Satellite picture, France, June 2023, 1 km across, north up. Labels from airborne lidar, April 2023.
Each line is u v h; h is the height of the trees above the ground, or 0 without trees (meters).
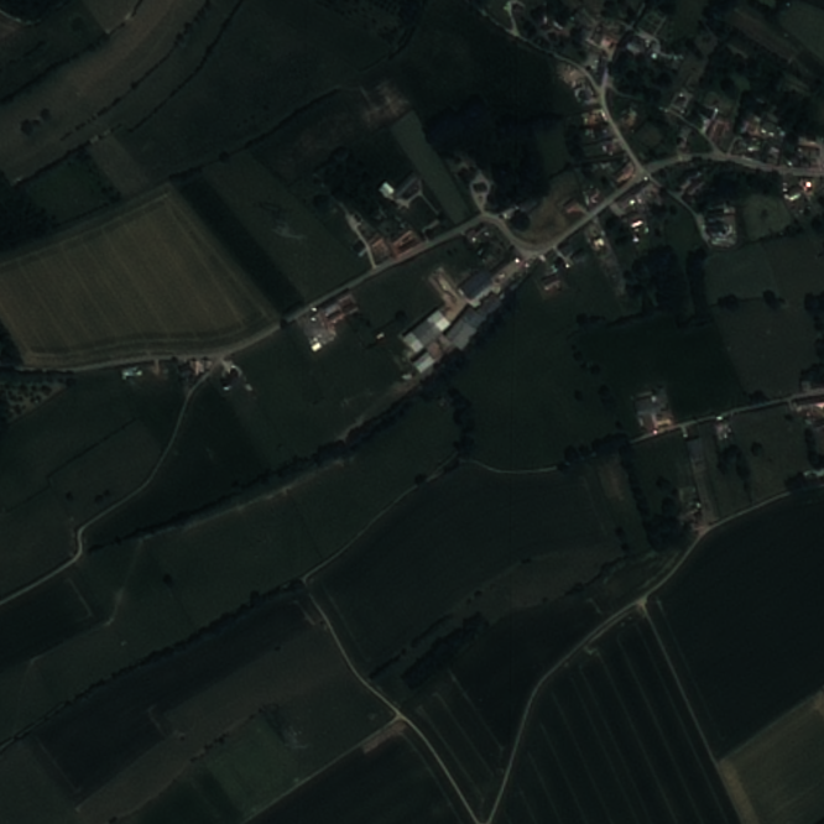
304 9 0
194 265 0
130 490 0
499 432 0
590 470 0
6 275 0
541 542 0
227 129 0
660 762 0
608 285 0
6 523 0
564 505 0
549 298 0
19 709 0
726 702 0
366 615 0
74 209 0
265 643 0
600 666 0
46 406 0
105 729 0
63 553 0
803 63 0
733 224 0
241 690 0
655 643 0
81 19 0
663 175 12
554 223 0
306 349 0
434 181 0
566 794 0
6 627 0
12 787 0
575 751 0
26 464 0
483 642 0
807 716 0
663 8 20
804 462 0
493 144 22
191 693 0
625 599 0
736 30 8
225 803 0
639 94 14
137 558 0
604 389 9
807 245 0
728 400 0
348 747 0
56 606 0
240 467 0
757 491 0
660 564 0
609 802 0
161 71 0
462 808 0
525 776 0
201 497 0
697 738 0
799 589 0
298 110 9
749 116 0
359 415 0
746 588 0
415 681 8
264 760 0
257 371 0
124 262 0
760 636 0
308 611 0
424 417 0
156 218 0
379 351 0
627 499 0
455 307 0
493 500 0
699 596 0
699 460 0
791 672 0
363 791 0
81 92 0
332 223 0
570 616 0
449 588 0
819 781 0
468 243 7
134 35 0
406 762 0
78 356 0
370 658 0
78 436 0
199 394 0
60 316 0
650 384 0
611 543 0
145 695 0
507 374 0
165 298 0
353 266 0
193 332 0
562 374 0
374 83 0
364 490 0
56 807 0
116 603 0
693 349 0
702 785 0
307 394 0
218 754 0
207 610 0
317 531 0
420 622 0
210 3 9
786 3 11
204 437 0
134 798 0
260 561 0
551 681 0
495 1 0
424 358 0
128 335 0
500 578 0
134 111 0
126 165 0
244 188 0
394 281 0
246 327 0
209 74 0
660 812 0
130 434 0
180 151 0
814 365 6
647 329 0
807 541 0
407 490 0
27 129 12
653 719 0
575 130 6
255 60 0
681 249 0
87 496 0
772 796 0
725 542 0
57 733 0
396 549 0
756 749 0
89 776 0
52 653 0
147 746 0
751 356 0
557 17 7
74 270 0
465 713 0
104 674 0
